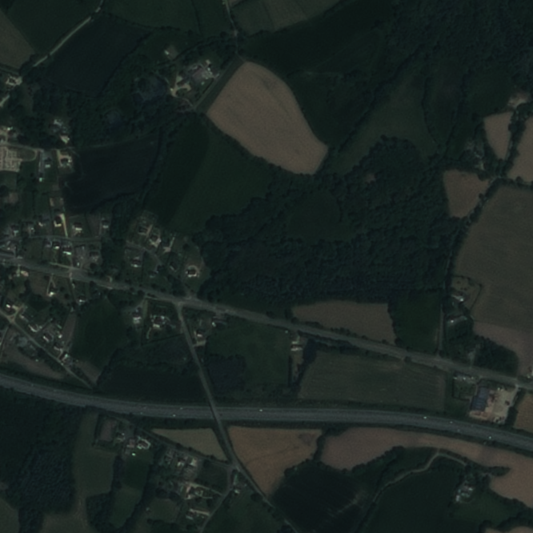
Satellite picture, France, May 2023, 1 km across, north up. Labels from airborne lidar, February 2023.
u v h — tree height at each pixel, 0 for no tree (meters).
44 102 14
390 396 0
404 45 14
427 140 0
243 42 30
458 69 0
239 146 8
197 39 9
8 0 0
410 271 19
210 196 0
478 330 0
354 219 18
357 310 0
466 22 15
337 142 0
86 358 0
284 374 0
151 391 0
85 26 0
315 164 0
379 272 7
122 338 0
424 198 16
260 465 0
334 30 0
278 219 14
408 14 20
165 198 0
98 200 0
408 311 0
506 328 0
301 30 0
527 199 0
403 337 0
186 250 11
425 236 8
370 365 0
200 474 0
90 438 0
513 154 12
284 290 12
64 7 0
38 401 13
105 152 0
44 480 22
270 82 0
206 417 0
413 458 0
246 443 0
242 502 0
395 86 18
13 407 7
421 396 0
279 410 0
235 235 21
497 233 0
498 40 17
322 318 0
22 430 8
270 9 0
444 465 8
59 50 0
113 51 0
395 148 19
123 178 0
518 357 0
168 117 21
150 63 13
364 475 0
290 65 0
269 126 0
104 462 0
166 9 0
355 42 0
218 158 0
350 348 11
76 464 0
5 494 8
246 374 0
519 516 13
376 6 0
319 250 17
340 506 0
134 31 0
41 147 16
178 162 0
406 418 0
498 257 0
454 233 18
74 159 0
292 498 0
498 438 0
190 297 0
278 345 0
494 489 0
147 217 0
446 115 0
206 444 0
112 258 7
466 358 0
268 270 25
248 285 22
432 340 0
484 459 0
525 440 0
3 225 14
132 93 6
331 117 0
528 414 0
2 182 0
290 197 15
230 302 0
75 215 0
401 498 0
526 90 7
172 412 0
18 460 8
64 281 0
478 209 13
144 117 8
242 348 0
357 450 0
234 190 0
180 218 0
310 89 0
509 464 0
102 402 0
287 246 20
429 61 17
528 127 0
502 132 0
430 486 0
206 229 7
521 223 0
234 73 0
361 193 16
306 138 0
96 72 0
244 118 0
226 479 0
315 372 0
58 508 21
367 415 0
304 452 0
